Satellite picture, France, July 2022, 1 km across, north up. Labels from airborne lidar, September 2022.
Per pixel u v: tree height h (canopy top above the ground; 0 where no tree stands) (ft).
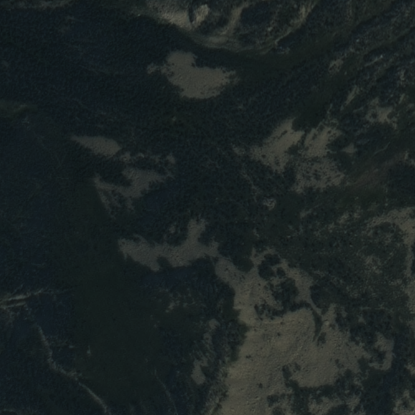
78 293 0
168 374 0
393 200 0
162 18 0
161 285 22
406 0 22
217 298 21
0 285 24
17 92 42
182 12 0
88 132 36
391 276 0
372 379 0
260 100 26
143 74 27
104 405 0
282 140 0
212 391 25
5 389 23
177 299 0
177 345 31
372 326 31
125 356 0
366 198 0
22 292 21
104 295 0
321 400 0
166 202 31
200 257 0
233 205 28
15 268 25
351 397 0
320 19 27
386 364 0
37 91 96
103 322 0
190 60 0
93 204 0
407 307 0
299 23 0
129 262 0
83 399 0
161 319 0
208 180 31
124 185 23
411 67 29
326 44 0
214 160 31
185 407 37
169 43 33
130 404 0
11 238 43
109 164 29
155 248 0
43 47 27
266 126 37
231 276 0
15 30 52
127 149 21
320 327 0
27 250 30
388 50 26
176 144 35
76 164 21
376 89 36
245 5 0
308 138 0
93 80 38
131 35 40
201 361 0
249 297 0
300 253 0
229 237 26
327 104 31
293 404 0
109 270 0
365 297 27
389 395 41
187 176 35
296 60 0
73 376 0
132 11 0
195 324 0
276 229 0
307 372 0
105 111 37
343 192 0
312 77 20
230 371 0
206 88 0
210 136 29
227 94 22
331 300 0
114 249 0
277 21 43
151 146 38
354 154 0
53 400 36
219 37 0
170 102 29
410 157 20
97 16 37
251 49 0
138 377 0
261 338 0
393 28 23
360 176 0
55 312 27
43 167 23
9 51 54
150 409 0
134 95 34
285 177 24
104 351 0
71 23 29
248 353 0
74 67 50
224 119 23
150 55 33
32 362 22
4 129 40
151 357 0
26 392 25
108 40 34
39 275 34
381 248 0
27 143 26
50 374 19
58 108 41
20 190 19
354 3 0
